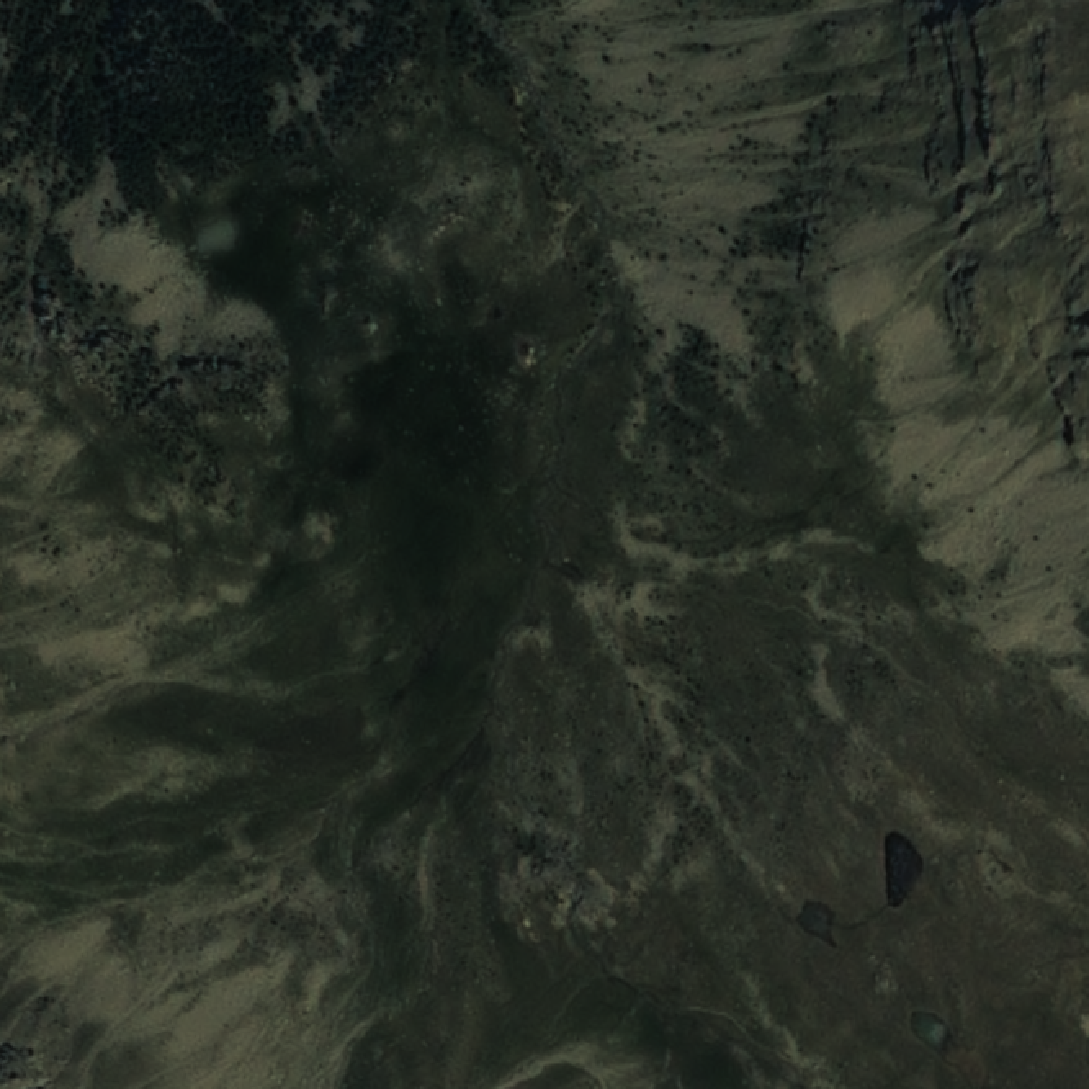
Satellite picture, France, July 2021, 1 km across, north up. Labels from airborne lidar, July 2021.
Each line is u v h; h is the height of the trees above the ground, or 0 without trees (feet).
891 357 0
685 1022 0
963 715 0
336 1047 0
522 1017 0
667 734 0
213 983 0
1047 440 0
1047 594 0
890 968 0
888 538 0
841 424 0
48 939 0
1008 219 0
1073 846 0
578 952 0
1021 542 0
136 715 0
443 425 0
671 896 0
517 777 0
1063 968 0
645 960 0
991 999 0
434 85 0
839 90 0
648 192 0
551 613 0
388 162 0
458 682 0
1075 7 0
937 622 0
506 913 0
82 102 41
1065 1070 0
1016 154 0
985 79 0
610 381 0
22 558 0
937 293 0
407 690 0
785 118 0
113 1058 0
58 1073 0
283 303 0
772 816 0
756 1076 0
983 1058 0
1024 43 0
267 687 0
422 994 0
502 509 0
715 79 0
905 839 0
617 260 0
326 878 0
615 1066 0
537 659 0
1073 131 0
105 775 0
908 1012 0
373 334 0
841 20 0
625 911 0
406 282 0
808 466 0
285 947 0
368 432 0
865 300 0
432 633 0
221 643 0
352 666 0
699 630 0
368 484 0
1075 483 0
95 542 0
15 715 0
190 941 0
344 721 0
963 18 0
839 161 0
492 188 0
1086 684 0
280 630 0
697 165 0
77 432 0
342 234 0
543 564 0
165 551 0
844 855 0
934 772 0
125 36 36
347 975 0
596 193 0
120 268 0
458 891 0
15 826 0
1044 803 0
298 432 0
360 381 0
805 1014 0
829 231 0
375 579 0
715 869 0
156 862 0
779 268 0
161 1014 0
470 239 0
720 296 0
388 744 0
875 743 0
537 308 0
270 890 0
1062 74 0
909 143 0
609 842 0
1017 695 0
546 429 0
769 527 0
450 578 0
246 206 0
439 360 0
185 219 0
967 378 0
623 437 0
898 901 0
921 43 0
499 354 0
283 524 0
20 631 0
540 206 0
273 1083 0
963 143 0
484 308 0
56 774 0
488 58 25
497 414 0
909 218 0
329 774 0
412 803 0
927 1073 0
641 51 0
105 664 0
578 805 0
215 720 0
